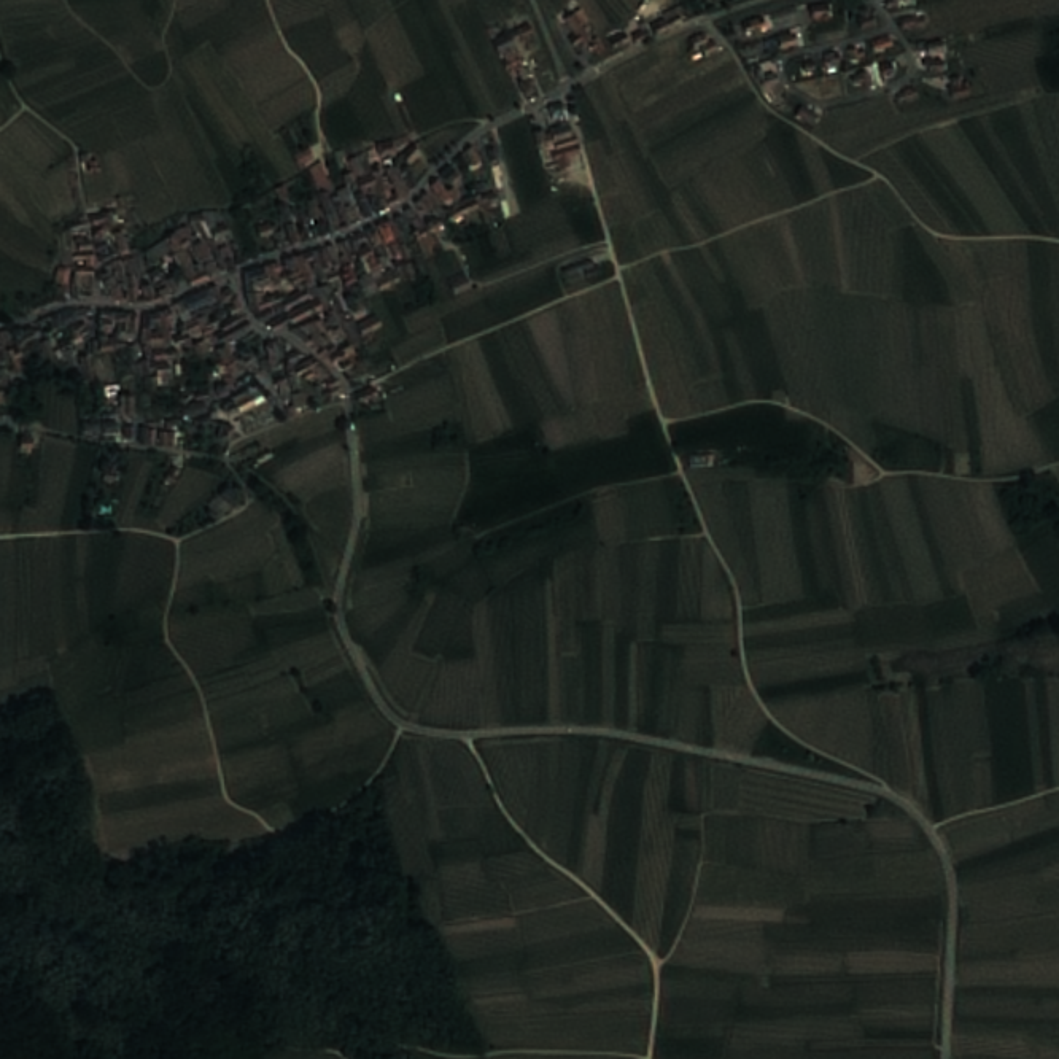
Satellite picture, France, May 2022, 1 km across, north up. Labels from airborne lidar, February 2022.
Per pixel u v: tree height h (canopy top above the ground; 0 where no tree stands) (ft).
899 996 0
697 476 0
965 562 0
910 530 0
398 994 79
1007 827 0
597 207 0
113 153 0
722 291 0
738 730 0
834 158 0
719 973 0
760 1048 0
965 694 0
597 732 0
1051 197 0
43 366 40
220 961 69
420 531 0
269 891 70
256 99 0
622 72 0
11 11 0
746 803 0
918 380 0
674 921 0
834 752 0
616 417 0
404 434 0
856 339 0
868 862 0
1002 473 0
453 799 0
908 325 0
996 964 0
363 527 0
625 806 0
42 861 65
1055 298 0
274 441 0
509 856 0
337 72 0
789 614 0
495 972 0
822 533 0
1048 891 0
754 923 0
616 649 0
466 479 0
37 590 0
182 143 0
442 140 0
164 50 0
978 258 0
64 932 59
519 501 0
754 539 0
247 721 0
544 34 0
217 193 0
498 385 0
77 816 66
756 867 0
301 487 0
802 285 0
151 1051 65
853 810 0
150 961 60
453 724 0
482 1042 42
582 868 0
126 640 0
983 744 0
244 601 0
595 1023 0
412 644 0
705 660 0
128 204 0
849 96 0
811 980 0
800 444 0
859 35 0
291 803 0
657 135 0
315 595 0
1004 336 0
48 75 0
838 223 0
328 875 69
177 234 0
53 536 0
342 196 0
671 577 0
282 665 0
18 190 0
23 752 80
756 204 0
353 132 0
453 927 0
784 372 0
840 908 0
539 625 0
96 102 0
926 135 0
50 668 0
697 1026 0
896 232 0
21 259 0
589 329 0
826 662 0
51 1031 85
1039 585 0
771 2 0
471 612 0
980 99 0
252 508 0
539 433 0
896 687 23
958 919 0
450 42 0
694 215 0
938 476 0
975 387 0
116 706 0
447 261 0
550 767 0
